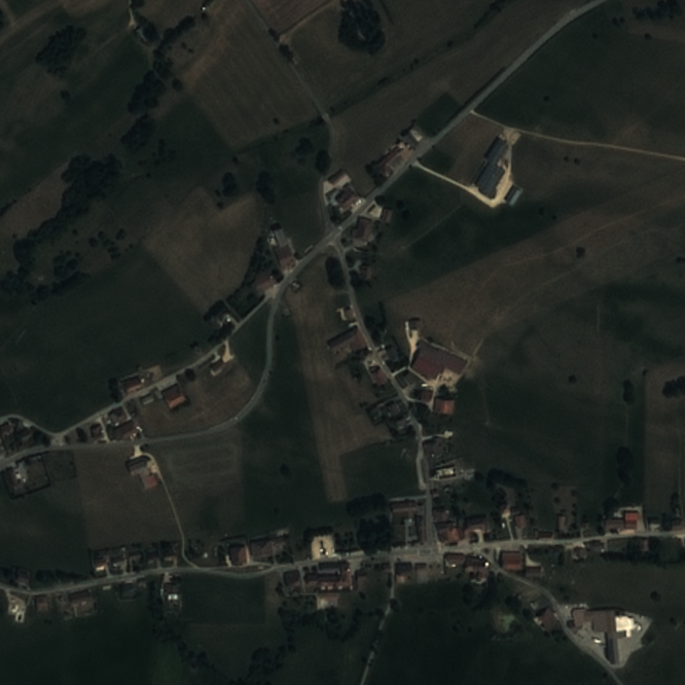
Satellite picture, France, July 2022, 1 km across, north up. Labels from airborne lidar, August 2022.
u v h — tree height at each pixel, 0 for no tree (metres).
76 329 0
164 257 0
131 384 0
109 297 0
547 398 0
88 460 0
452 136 0
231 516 0
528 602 0
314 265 0
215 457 0
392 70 0
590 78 0
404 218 8
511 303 0
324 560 0
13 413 0
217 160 0
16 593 0
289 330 0
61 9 0
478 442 0
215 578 0
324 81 0
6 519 0
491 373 0
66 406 0
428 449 0
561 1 0
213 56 0
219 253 0
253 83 0
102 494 0
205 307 0
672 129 0
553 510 0
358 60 0
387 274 0
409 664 0
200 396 0
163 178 0
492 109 0
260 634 0
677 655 0
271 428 0
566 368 0
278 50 0
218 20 0
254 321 0
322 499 0
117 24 0
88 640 0
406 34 0
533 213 0
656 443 0
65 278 6
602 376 0
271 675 8
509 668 0
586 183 0
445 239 0
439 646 0
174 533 0
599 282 0
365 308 0
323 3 0
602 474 0
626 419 0
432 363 0
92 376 0
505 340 0
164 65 10
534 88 0
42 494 0
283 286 0
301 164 9
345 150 0
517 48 0
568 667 0
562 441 0
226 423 0
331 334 0
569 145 0
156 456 0
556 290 0
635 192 0
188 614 0
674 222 0
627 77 0
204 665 15
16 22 0
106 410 0
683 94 0
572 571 0
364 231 0
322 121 13
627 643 0
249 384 0
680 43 0
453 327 0
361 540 10
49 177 0
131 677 0
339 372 0
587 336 0
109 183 24
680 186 0
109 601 0
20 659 0
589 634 0
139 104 22
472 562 0
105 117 0
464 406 0
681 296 0
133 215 0
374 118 0
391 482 0
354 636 14
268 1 0
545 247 0
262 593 0
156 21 0
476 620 0
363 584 0
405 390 0
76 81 0
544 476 0
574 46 0
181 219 0
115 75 0
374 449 0
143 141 8
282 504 0
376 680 0
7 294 17
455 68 0
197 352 0
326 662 0
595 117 0
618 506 14
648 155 0
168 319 0
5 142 0
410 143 0
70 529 0
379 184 9
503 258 0
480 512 0
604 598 0
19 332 0
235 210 0
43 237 7
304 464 0
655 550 18
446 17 0
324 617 9
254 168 0
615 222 0
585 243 0
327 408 0
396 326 0
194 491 0
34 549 0
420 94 0
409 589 0
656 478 0
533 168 0
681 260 7
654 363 0
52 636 0
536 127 0
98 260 0
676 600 0
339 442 0
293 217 0
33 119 0
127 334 0
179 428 0
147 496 0
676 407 0
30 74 0
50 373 0
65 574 16
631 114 0
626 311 0
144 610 0
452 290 0
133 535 0
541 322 0
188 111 0
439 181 0
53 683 0
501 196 0
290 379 0
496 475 18
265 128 0
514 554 0
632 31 0
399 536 0
